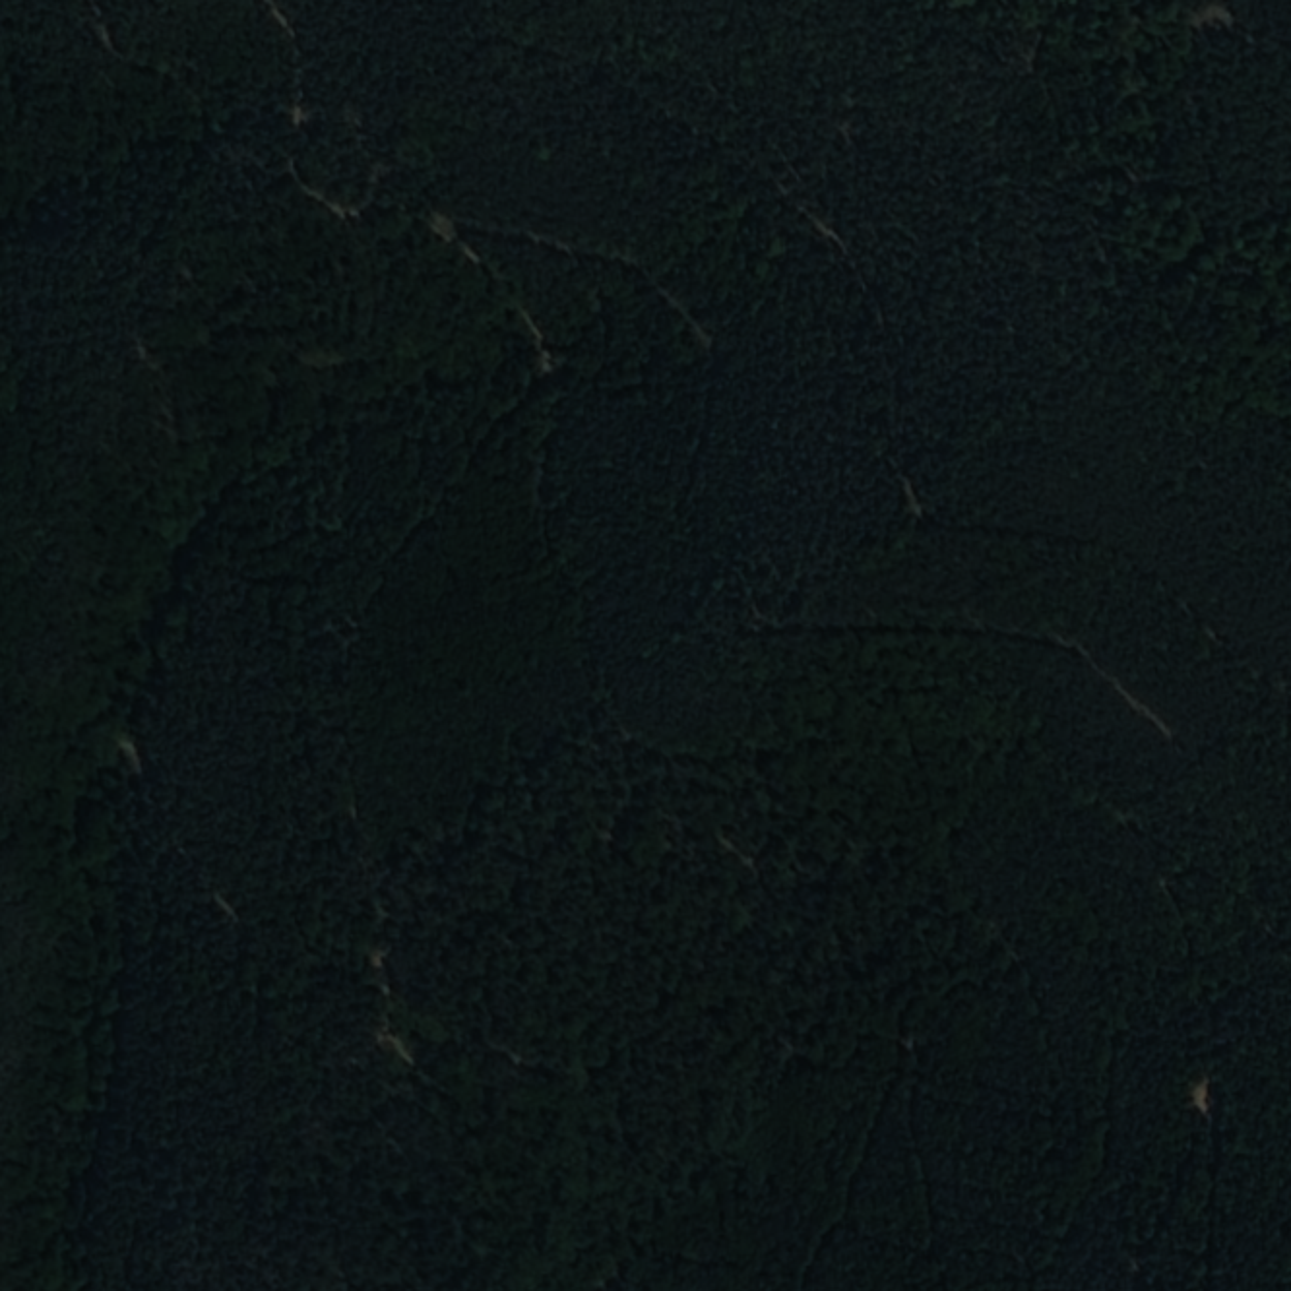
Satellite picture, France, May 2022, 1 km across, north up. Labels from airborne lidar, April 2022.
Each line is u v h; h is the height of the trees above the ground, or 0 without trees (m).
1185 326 26
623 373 25
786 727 23
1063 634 21
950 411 27
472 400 27
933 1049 24
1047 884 27
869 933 31
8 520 21
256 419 24
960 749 24
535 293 22
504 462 22
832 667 24
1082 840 21
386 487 21
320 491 33
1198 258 26
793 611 23
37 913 22
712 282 26
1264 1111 25
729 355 21
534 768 31
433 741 18
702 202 25
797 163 31
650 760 33
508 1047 21
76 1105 16
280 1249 28
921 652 23
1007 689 21
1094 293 25
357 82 28
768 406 27
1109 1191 25
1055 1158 27
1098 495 27
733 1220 21
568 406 19
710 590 26
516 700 16
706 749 21
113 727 24
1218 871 21
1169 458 21
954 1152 19
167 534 26
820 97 32
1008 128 23
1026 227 29
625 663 15
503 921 30
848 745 22
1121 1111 24
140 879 26
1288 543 22
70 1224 23
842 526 25
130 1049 35
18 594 21
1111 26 30
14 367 21
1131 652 18
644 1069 35
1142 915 22
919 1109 18
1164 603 20
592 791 30
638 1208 26
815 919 33
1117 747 21
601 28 20
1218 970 25
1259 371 25
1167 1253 30
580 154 28
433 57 27
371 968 32
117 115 31
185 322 18
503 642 14
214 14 22
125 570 27
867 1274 22
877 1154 19
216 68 25
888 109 26
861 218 32
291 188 22
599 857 26
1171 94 24
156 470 18
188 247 19
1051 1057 21
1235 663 14
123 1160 35
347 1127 25
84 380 23
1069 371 20
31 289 22
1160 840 19
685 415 22
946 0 23
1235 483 19
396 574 16
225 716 28
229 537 31
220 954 28
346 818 20
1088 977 25
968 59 24
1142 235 31
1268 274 21
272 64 23
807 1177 22
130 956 35
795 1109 19
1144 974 22
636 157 28
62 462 18
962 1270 24
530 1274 23
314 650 29
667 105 22
